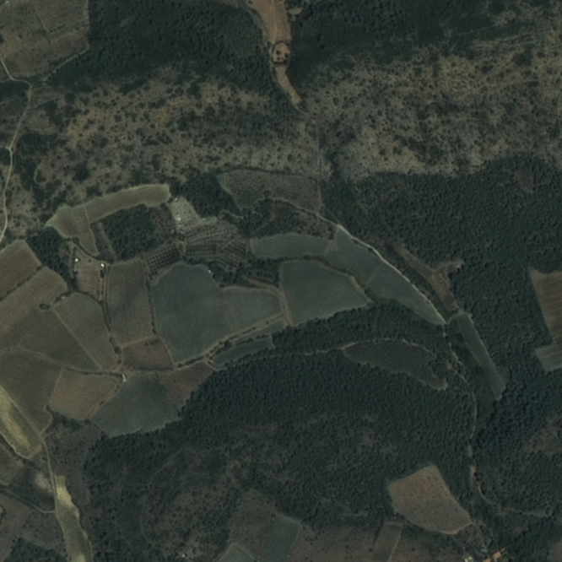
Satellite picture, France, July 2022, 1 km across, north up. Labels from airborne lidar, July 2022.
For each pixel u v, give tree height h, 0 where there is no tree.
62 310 0
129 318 0
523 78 0
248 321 0
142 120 0
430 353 7
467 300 10
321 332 18
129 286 0
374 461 13
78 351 0
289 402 10
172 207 0
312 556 0
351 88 0
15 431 0
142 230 12
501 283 13
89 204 0
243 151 0
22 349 0
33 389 0
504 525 12
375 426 12
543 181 13
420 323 11
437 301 7
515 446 8
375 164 0
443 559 0
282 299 0
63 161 0
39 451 0
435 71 0
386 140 0
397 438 6
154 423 0
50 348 0
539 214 11
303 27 10
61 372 0
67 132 0
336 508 8
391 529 0
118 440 8
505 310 11
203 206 11
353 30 8
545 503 9
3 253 0
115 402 0
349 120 0
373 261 0
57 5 0
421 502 0
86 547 0
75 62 7
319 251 0
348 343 11
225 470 6
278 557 0
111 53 10
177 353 0
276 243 0
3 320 0
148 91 0
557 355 0
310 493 11
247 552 0
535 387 11
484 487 8
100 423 0
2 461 0
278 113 6
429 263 11
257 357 10
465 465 12
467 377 12
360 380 11
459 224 14
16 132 0
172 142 0
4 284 0
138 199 0
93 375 0
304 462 11
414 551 6
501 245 10
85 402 0
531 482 10
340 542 0
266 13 0
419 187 10
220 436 10
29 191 0
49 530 0
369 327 11
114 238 10
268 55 7
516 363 10
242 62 12
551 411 8
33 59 0
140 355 0
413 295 0
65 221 0
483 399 13
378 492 12
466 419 19
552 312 0
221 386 9
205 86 0
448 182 8
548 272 6
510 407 12
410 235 10
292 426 8
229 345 12
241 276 13
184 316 0
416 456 10
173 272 0
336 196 9
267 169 0
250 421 8
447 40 6
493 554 7
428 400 13
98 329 0
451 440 18
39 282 0
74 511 0
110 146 0
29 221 0
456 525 0
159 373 0
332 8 13
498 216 13
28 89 0
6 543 0
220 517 7
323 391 11
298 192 0
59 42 0
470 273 12
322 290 0
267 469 6
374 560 0
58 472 0
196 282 0
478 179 9
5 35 0
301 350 11
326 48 12
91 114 0
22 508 0
